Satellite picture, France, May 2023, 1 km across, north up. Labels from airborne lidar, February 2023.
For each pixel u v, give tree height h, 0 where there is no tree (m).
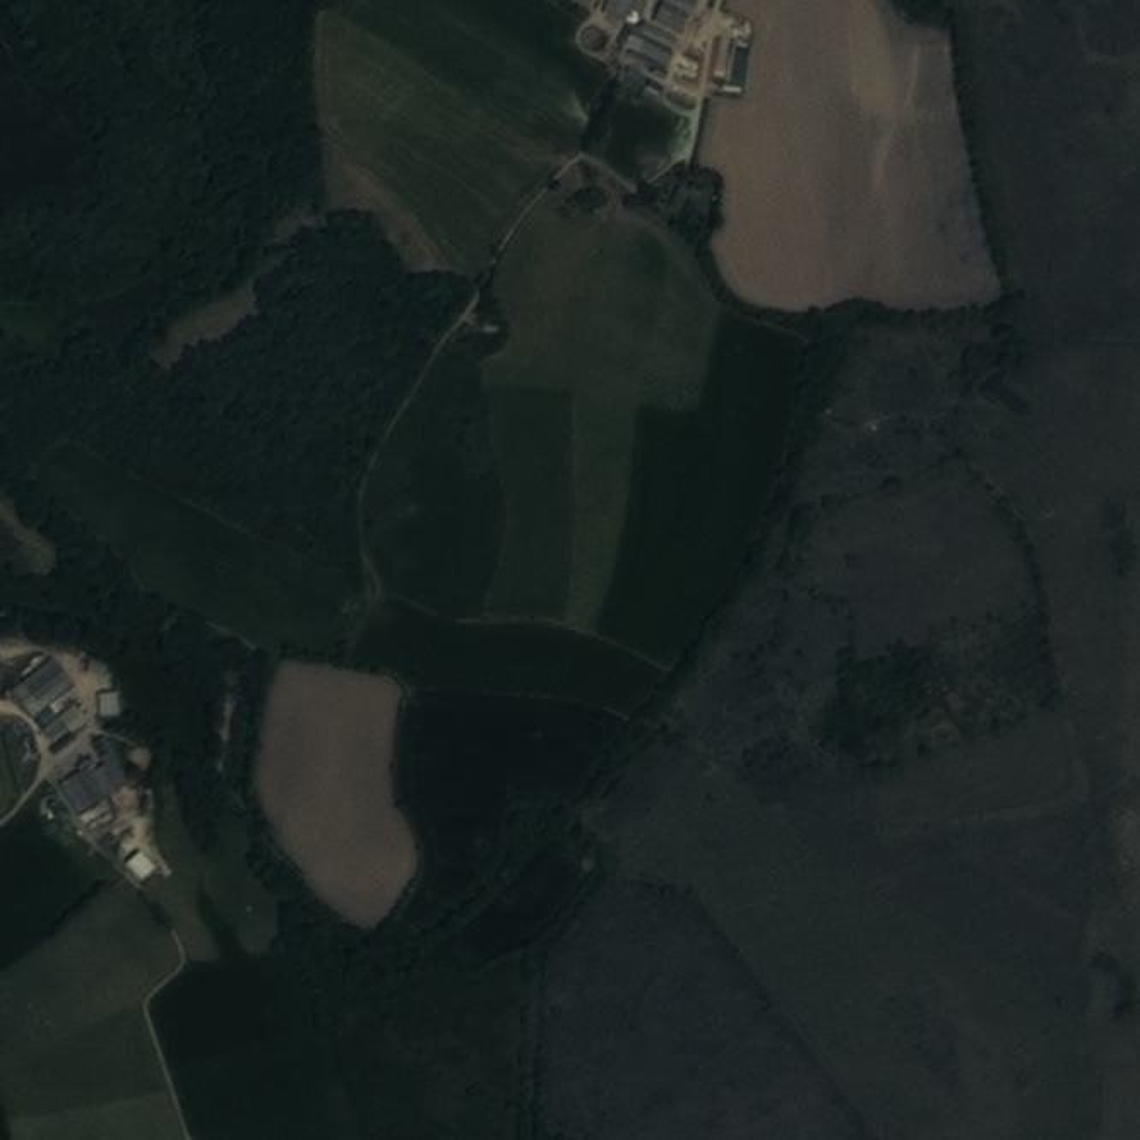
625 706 0
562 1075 0
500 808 0
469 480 0
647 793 0
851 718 12
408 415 0
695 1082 0
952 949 0
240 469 18
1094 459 0
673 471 0
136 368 15
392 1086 0
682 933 0
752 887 0
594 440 0
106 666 9
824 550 0
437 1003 0
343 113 0
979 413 0
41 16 17
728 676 0
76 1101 0
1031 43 0
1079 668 0
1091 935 0
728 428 0
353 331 16
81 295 14
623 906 0
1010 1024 0
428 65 0
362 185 0
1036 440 0
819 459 0
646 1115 0
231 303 0
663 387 0
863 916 0
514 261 0
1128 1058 0
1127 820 0
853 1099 0
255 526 17
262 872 17
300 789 0
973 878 0
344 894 0
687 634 0
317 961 11
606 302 0
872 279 0
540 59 0
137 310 0
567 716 0
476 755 0
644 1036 0
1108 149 0
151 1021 0
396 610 0
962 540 0
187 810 6
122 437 14
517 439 0
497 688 0
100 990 0
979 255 0
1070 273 0
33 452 15
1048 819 0
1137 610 0
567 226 0
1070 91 0
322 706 0
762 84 0
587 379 0
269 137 17
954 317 7
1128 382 0
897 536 0
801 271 0
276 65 17
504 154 0
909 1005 0
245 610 0
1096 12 0
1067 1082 0
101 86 18
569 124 0
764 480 0
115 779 0
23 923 0
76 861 0
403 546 0
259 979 0
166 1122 0
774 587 0
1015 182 0
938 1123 0
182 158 16
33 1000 0
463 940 0
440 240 0
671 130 0
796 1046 0
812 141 0
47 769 0
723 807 0
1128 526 0
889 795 0
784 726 0
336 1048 0
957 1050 0
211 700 18
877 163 0
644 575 0
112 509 0
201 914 0
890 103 0
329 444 16
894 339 0
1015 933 0
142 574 0
